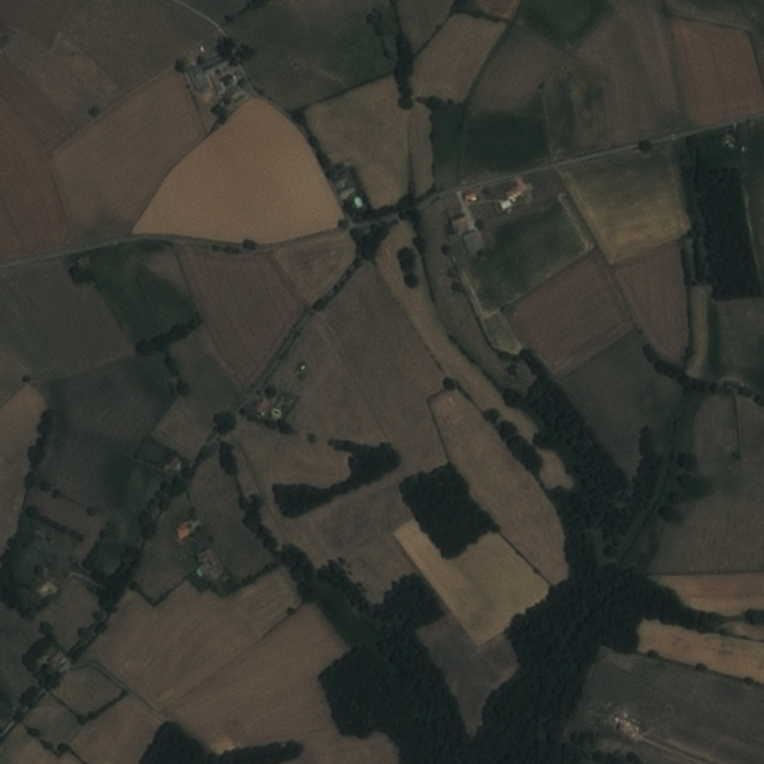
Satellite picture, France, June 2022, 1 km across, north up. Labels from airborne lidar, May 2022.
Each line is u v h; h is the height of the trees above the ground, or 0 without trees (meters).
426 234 0
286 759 12
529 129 0
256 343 0
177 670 0
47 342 0
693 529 0
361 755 0
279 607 0
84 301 0
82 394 0
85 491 0
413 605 20
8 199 0
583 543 18
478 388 0
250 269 0
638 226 0
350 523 0
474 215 0
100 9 0
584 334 0
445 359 0
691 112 0
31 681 0
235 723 0
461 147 0
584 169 0
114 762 0
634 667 0
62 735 0
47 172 0
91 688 0
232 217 0
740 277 18
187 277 0
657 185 0
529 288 0
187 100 0
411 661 22
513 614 0
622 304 0
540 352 0
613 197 0
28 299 0
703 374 0
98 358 0
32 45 0
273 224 0
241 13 6
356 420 0
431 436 0
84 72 0
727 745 0
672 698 0
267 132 0
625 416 0
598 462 18
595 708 0
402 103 9
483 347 0
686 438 0
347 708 19
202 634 0
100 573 9
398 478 0
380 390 0
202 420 0
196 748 19
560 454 0
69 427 0
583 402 0
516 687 17
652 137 0
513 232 0
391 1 8
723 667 0
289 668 0
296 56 0
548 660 24
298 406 0
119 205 0
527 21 0
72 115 0
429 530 17
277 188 0
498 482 0
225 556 0
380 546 0
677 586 0
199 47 0
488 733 17
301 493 17
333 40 0
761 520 0
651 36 0
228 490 0
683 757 0
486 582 0
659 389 0
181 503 0
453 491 14
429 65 0
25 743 0
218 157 0
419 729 20
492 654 0
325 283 0
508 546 0
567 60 0
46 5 0
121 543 0
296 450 0
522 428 0
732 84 0
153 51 0
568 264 0
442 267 0
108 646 0
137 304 0
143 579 0
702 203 15
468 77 0
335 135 0
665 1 0
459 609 0
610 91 0
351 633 0
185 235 0
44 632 16
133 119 0
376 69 0
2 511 0
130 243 0
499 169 0
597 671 0
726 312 0
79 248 0
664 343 0
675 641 0
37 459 17
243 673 0
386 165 0
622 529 15
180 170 0
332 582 21
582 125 0
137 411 0
